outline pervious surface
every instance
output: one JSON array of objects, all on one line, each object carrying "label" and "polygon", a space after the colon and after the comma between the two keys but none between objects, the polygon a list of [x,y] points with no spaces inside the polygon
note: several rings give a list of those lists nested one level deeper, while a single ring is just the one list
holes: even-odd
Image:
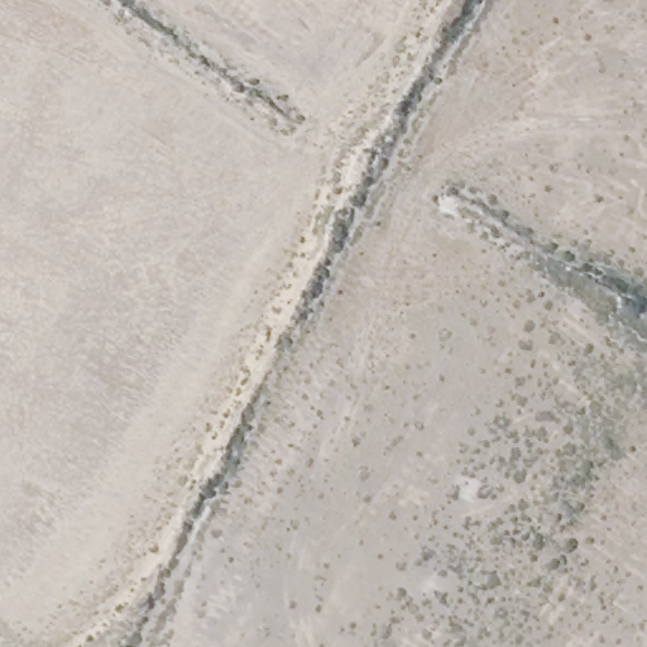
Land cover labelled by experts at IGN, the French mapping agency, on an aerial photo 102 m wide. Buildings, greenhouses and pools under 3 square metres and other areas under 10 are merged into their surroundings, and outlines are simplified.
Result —
[{"label": "pervious surface", "polygon": [[[480,207],[473,205],[473,200],[498,197],[498,202],[511,212],[511,217],[518,225],[533,227],[536,240],[556,243],[564,250],[571,240],[589,240],[594,253],[609,250],[614,260],[624,260],[624,273],[619,278],[624,278],[627,283],[647,286],[647,0],[480,0],[473,8],[473,15],[465,23],[463,33],[447,45],[447,53],[437,66],[440,83],[430,83],[422,99],[409,111],[407,131],[399,136],[399,144],[392,152],[389,167],[384,169],[382,179],[374,179],[374,184],[369,187],[366,205],[356,210],[354,222],[349,225],[344,250],[336,253],[331,260],[331,278],[324,283],[324,293],[311,301],[308,321],[298,321],[296,311],[301,296],[311,286],[316,265],[324,260],[329,250],[339,210],[344,210],[356,195],[356,184],[366,172],[369,149],[374,147],[379,134],[392,129],[402,99],[420,78],[430,53],[440,43],[442,23],[450,23],[460,13],[463,0],[136,0],[157,20],[177,28],[179,35],[190,35],[195,48],[210,61],[230,66],[230,71],[240,78],[260,78],[260,88],[270,96],[288,94],[293,109],[291,116],[283,119],[260,101],[250,106],[248,94],[235,91],[227,81],[222,81],[222,76],[207,71],[197,61],[190,61],[184,51],[172,45],[167,35],[142,23],[136,15],[129,13],[129,8],[124,8],[116,0],[0,0],[0,647],[647,647],[647,351],[634,351],[629,346],[629,341],[624,339],[622,321],[607,318],[604,324],[599,324],[596,316],[571,293],[571,288],[556,286],[538,270],[531,270],[526,260],[518,260],[516,253],[523,253],[526,238],[505,230],[500,220],[485,215]],[[245,435],[243,465],[235,475],[227,478],[227,493],[217,488],[215,495],[205,500],[205,508],[195,518],[179,564],[164,584],[164,596],[154,604],[154,609],[149,609],[144,599],[157,586],[157,571],[172,556],[174,541],[184,523],[184,513],[195,505],[202,485],[220,470],[225,445],[233,430],[238,427],[240,414],[258,384],[268,387],[268,392],[260,394],[255,417],[250,422],[250,432]]]}]

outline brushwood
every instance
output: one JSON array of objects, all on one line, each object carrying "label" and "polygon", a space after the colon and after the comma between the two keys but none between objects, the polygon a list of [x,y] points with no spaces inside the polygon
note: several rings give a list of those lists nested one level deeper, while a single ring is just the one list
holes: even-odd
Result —
[{"label": "brushwood", "polygon": [[129,13],[136,15],[142,23],[167,35],[172,45],[184,51],[190,61],[197,61],[207,71],[222,76],[222,81],[227,81],[235,91],[248,94],[250,106],[260,101],[283,119],[291,116],[293,109],[288,94],[270,96],[260,88],[260,78],[240,78],[230,71],[230,66],[210,61],[195,48],[190,35],[179,35],[177,28],[157,20],[136,0],[116,0],[124,8],[129,8]]},{"label": "brushwood", "polygon": [[366,172],[356,184],[356,195],[344,210],[339,210],[329,250],[324,260],[316,265],[311,286],[301,296],[296,311],[298,321],[308,321],[311,301],[324,293],[324,283],[331,278],[331,260],[336,253],[344,250],[349,225],[354,222],[356,210],[366,205],[369,187],[374,184],[374,179],[382,179],[384,169],[389,167],[392,152],[399,144],[399,136],[407,131],[409,111],[422,99],[430,83],[440,83],[437,66],[447,53],[447,45],[463,33],[465,23],[473,15],[473,8],[480,0],[463,0],[460,13],[450,23],[442,23],[440,43],[430,53],[420,78],[402,99],[392,129],[379,134],[374,147],[369,149]]},{"label": "brushwood", "polygon": [[184,513],[184,523],[174,541],[172,556],[157,571],[157,586],[144,599],[149,609],[154,609],[154,604],[164,596],[164,584],[179,564],[195,518],[205,508],[205,500],[215,495],[217,488],[227,493],[227,478],[235,475],[243,465],[245,435],[250,432],[250,422],[255,417],[260,394],[268,392],[268,387],[258,384],[240,414],[238,427],[233,430],[225,445],[220,470],[202,485],[195,505]]},{"label": "brushwood", "polygon": [[624,278],[619,278],[624,273],[624,260],[614,260],[609,250],[594,253],[589,240],[571,240],[564,250],[556,243],[536,240],[533,227],[518,225],[511,217],[511,212],[498,202],[498,197],[473,200],[473,205],[480,207],[485,215],[500,220],[505,230],[526,238],[523,253],[516,253],[518,260],[526,260],[531,270],[538,270],[556,286],[571,288],[571,293],[596,316],[599,324],[604,324],[607,318],[622,321],[624,339],[629,341],[629,346],[634,351],[647,351],[647,286],[627,283]]}]

